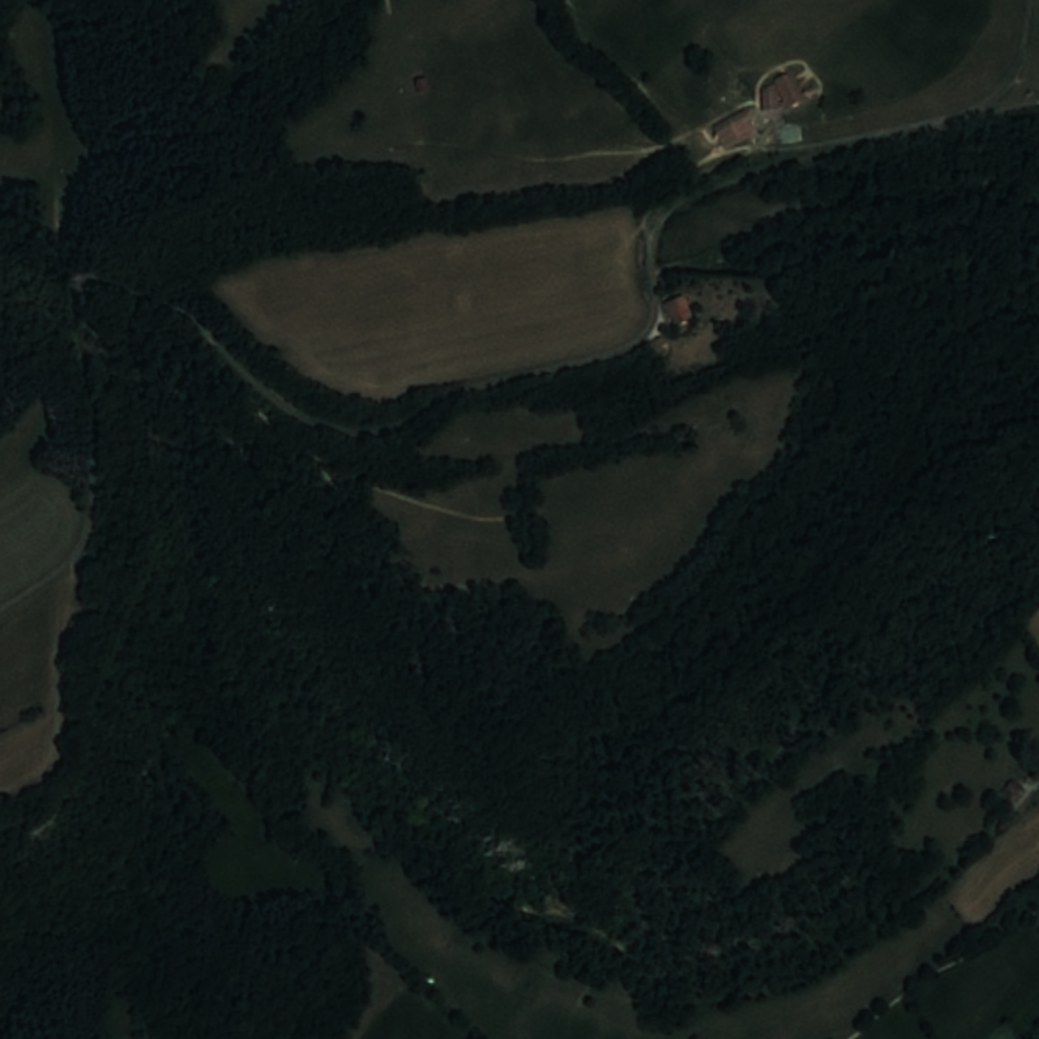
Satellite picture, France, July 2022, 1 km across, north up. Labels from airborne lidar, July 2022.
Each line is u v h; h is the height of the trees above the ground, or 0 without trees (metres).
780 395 0
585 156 0
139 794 28
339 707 22
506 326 0
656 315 0
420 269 0
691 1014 14
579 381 11
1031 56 0
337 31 20
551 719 19
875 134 0
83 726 58
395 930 0
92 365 32
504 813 21
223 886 0
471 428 0
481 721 10
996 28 0
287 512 17
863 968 0
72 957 22
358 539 17
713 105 0
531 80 0
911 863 22
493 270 0
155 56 20
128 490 25
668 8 0
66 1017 21
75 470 22
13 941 27
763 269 19
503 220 18
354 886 21
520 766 19
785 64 0
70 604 0
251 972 25
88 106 17
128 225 20
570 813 27
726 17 0
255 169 22
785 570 31
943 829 0
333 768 15
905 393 28
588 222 0
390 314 0
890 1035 0
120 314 34
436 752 23
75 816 20
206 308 22
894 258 26
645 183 21
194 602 31
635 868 21
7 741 0
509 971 0
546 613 19
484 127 0
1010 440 30
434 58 0
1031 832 0
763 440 0
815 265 19
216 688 21
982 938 19
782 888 26
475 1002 0
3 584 0
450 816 19
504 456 0
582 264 0
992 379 11
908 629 25
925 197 11
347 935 31
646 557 0
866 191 29
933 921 0
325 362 0
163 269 22
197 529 35
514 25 0
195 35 27
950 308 28
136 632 29
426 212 24
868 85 0
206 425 26
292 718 29
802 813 11
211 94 23
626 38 0
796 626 29
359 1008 28
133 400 34
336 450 24
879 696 27
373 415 18
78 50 23
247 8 0
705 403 0
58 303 20
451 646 17
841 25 0
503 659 9
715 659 24
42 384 23
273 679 23
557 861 24
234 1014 26
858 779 8
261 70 23
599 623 20
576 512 0
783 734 8
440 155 0
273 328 0
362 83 0
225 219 16
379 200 22
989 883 0
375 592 25
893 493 16
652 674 32
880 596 27
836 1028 0
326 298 0
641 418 16
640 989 21
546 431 0
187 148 29
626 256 0
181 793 7
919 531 22
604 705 32
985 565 25
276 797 28
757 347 16
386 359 0
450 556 0
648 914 23
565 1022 0
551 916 0
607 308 0
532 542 18
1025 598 14
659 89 0
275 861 0
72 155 0
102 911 22
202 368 29
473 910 25
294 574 30
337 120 0
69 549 0
